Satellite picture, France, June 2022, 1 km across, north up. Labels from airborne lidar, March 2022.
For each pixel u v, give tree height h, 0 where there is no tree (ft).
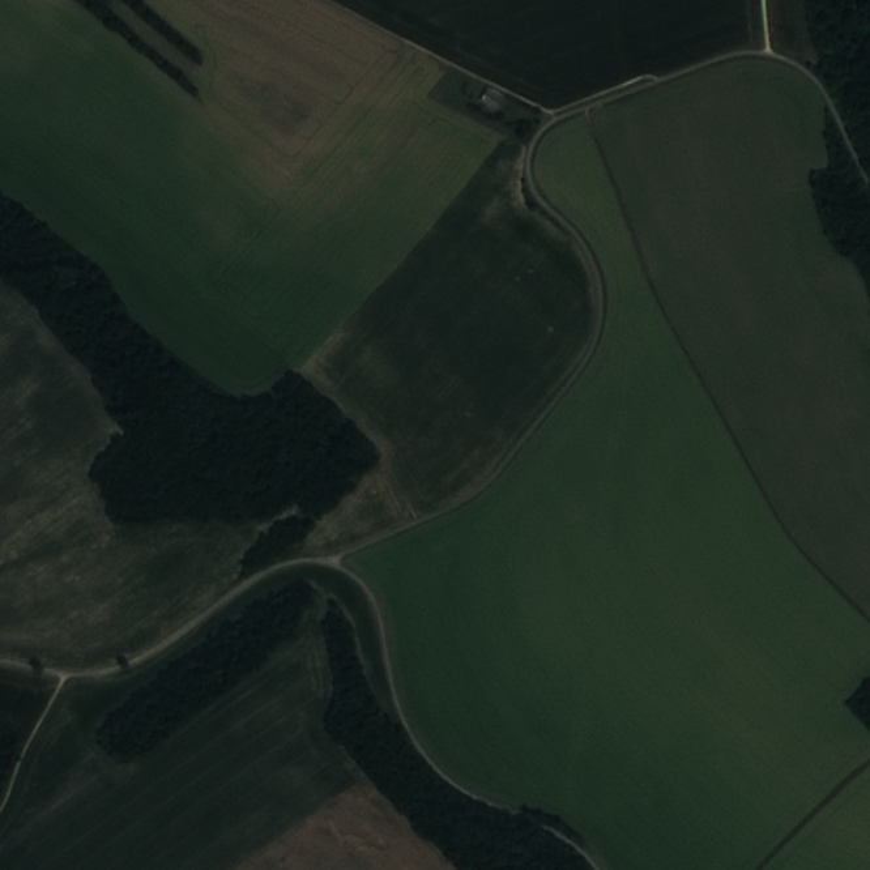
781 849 0
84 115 0
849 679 0
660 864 0
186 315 0
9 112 0
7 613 0
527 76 0
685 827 0
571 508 0
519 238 0
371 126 0
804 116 0
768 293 0
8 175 0
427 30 0
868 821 0
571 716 0
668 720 0
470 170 0
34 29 0
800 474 0
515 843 83
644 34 0
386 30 0
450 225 0
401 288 0
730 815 0
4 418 0
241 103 0
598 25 0
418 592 0
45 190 0
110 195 0
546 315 0
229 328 0
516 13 0
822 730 0
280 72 0
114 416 36
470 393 0
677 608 0
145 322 0
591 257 0
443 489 0
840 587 0
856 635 0
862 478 0
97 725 0
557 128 0
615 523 0
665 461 0
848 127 30
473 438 0
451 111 0
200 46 0
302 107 0
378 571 0
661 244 0
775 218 0
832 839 0
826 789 0
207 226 0
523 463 0
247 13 0
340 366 0
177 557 0
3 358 0
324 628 23
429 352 0
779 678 0
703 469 0
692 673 0
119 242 0
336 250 0
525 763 0
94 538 0
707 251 0
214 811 0
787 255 0
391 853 0
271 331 0
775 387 0
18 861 0
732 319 0
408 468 0
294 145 0
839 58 41
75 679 0
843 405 0
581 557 0
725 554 0
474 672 0
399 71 0
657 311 0
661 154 0
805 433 0
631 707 0
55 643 0
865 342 0
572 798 0
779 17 0
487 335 0
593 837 0
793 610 0
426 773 68
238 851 0
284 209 0
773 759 0
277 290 0
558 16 0
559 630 0
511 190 0
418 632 0
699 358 0
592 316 0
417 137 0
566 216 0
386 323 0
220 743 0
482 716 0
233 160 0
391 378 0
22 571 0
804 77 0
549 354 0
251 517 33
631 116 0
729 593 0
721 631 0
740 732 0
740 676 0
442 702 0
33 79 0
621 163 0
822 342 0
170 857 0
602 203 0
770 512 0
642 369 0
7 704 0
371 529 0
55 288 20
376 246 0
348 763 0
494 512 0
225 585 0
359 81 0
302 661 0
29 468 0
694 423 0
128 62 0
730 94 0
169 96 0
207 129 0
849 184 44
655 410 0
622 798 0
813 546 0
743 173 0
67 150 0
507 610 0
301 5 0
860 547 0
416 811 57
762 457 0
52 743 0
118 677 0
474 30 0
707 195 0
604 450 0
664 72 0
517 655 0
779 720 0
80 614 0
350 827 0
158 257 0
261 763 0
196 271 0
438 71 0
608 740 0
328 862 0
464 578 0
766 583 0
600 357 0
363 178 0
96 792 0
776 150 0
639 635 0
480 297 0
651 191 0
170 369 48
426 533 0
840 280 0
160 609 0
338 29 0
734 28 0
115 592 0
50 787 0
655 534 0
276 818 0
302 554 0
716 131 0
